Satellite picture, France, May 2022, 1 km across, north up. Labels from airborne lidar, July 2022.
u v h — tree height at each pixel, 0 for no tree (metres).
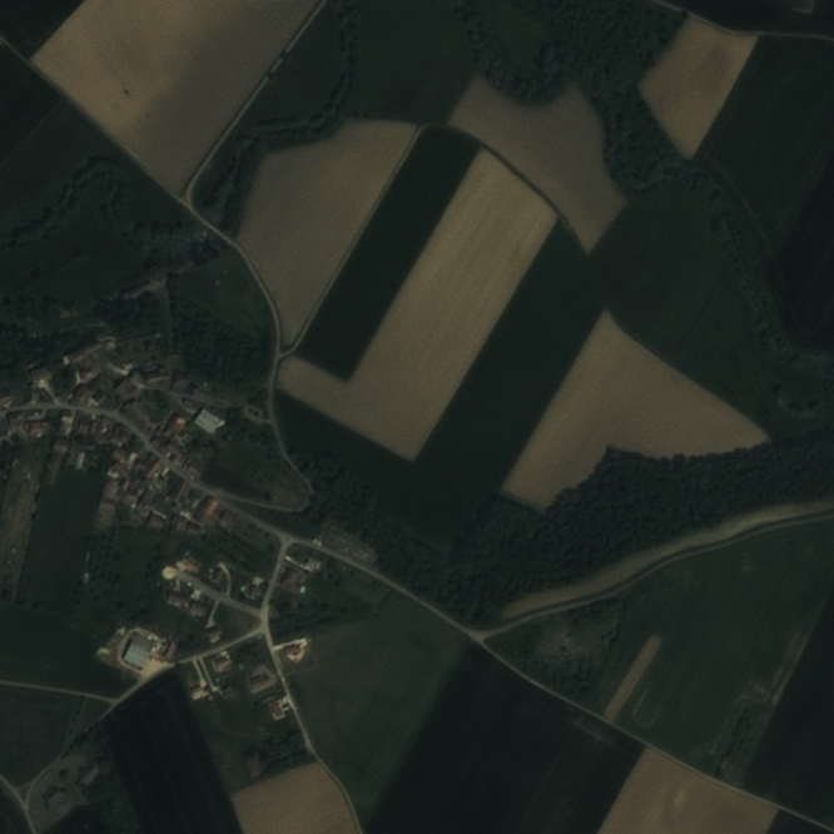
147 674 0
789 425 0
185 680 0
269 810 0
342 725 0
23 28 0
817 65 0
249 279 0
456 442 0
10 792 0
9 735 0
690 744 0
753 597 0
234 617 0
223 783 0
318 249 0
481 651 0
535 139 0
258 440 9
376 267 0
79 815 0
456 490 0
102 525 0
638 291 0
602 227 0
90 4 0
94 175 14
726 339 0
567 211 0
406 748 0
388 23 0
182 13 0
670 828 0
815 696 0
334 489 21
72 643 0
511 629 0
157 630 0
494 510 18
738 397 0
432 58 0
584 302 0
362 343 0
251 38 0
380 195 0
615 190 0
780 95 0
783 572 0
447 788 0
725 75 0
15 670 0
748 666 0
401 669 0
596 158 0
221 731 0
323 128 11
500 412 0
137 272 0
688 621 0
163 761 0
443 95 0
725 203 10
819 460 23
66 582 0
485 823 0
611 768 0
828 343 0
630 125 13
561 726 0
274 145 0
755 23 0
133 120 0
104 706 0
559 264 0
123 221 17
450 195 0
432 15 0
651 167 12
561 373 0
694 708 0
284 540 0
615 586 0
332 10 0
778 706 0
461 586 20
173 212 0
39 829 0
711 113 0
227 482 0
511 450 0
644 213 0
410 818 0
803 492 18
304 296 0
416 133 0
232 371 14
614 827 0
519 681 0
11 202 0
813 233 0
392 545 22
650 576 0
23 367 17
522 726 0
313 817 0
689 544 0
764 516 0
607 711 0
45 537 0
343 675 0
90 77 0
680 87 0
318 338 0
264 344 14
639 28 18
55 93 0
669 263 0
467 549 24
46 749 0
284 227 0
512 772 0
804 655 0
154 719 0
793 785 0
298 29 0
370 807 0
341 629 0
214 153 0
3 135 0
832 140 0
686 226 0
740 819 0
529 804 0
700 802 0
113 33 0
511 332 0
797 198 0
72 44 0
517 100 13
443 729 0
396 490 0
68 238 0
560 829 0
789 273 0
